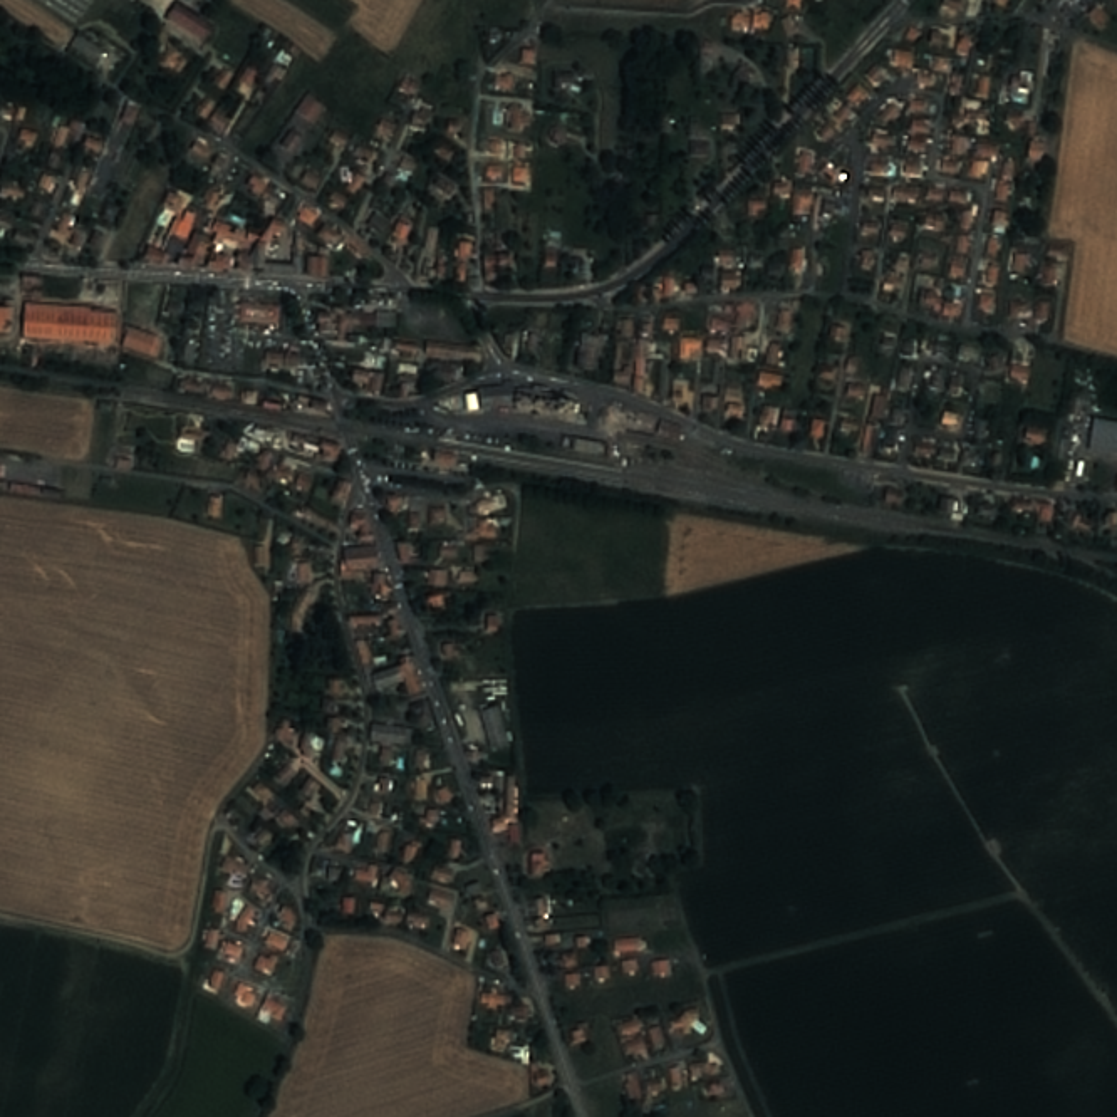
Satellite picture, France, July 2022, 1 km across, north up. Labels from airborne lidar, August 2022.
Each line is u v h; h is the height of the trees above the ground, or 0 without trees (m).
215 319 0
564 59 0
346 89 0
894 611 0
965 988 0
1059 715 0
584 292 0
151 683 0
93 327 0
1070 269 0
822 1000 0
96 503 0
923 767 0
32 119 0
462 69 13
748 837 0
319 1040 0
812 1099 0
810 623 0
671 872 14
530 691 0
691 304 0
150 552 0
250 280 0
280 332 0
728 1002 0
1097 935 0
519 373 0
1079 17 0
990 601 0
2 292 0
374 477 0
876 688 0
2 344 0
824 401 7
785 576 0
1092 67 0
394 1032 0
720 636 0
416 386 6
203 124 11
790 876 0
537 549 0
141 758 0
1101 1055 0
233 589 0
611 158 15
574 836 0
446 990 0
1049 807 0
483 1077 0
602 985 0
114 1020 0
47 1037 0
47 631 0
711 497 0
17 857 0
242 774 0
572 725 0
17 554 0
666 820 0
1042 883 0
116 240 0
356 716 13
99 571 0
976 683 0
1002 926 0
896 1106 0
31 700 0
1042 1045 0
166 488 0
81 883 0
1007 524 10
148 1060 0
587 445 0
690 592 0
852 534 0
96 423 0
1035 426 12
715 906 0
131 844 0
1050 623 0
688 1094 0
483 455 0
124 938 0
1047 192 9
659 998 0
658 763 0
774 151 19
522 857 0
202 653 0
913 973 0
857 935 0
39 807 0
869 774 0
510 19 0
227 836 0
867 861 0
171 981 0
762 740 0
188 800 0
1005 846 0
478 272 0
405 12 0
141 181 0
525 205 0
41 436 0
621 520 0
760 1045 0
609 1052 0
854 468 0
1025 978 0
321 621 18
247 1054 0
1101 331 0
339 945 0
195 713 0
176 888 0
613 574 0
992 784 0
